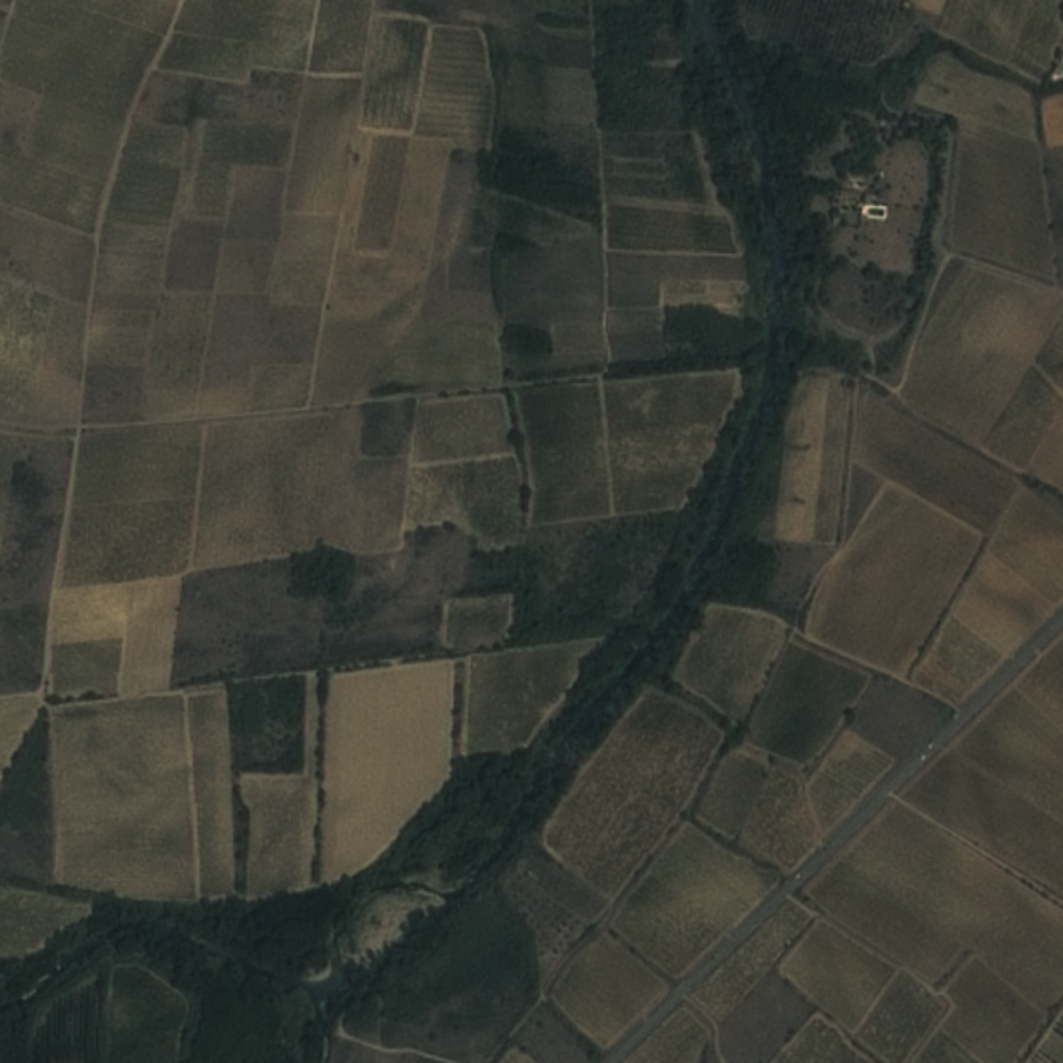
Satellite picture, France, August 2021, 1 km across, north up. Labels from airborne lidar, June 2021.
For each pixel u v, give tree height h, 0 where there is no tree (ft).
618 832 0
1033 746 0
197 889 0
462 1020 0
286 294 0
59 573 0
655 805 0
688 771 0
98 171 0
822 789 0
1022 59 0
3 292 0
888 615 0
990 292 0
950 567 0
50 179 0
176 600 0
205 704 0
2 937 0
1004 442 0
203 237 0
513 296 0
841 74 39
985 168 0
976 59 17
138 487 0
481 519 0
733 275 0
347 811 0
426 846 73
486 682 0
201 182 0
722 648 0
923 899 0
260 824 0
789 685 0
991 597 0
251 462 0
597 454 0
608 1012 0
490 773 71
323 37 0
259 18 0
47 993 18
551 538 0
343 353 0
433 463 0
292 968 78
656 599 24
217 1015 32
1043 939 0
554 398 0
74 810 0
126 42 0
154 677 0
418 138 0
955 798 0
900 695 0
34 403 0
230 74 0
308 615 0
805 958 0
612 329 0
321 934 48
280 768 20
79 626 0
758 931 0
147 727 0
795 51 39
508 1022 0
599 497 0
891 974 0
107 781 0
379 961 70
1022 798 0
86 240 0
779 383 53
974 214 0
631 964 0
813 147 26
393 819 0
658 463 0
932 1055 0
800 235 49
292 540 0
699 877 0
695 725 0
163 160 0
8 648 0
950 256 0
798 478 0
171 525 0
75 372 0
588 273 0
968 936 0
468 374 0
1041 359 0
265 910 69
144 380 0
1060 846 0
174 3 0
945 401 0
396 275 0
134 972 0
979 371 0
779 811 0
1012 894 0
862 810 0
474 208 0
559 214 0
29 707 0
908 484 0
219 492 0
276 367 0
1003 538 0
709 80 50
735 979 0
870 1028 0
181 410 0
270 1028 26
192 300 0
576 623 18
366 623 0
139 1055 0
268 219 0
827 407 0
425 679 0
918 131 33
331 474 0
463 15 0
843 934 0
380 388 0
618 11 24
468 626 0
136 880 0
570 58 0
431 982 28
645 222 0
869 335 0
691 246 0
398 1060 0
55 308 0
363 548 0
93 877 0
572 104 0
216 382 0
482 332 0
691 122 37
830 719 0
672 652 76
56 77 0
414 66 0
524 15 0
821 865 0
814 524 0
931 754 0
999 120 0
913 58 18
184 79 0
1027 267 0
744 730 32
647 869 0
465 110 0
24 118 0
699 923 0
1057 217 0
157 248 0
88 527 0
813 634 0
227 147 0
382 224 0
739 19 64
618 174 0
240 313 0
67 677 0
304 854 0
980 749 0
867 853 0
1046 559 0
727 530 45
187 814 0
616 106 20
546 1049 0
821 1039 0
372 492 0
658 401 0
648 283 0
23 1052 55
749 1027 0
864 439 0
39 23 0
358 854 0
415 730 0
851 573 0
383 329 0
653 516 20
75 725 0
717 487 50
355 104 0
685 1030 0
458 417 0
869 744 0
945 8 0
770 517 0
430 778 0
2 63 0
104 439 0
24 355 0
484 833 22
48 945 27
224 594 0
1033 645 0
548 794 40
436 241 0
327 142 0
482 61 0
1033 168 0
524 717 0
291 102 0
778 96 58
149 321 0
